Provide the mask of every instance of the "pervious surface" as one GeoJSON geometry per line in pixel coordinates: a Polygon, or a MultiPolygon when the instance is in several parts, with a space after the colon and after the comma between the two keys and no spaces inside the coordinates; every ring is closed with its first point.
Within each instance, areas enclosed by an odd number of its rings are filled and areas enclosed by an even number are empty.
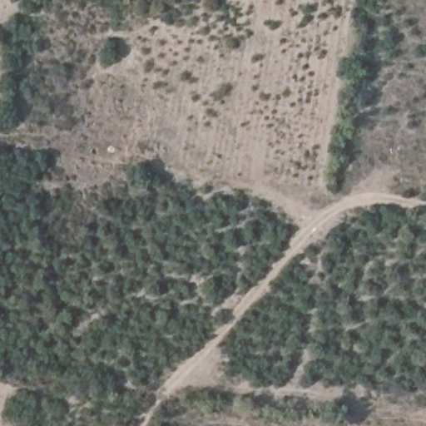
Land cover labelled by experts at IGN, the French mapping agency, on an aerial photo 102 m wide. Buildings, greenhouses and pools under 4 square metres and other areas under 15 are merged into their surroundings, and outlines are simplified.
{"type": "Polygon", "coordinates": [[[8,18],[18,12],[18,3],[12,0],[0,0],[0,23],[7,22],[8,18]]]}
{"type": "Polygon", "coordinates": [[[15,394],[17,389],[10,384],[0,383],[0,426],[5,426],[2,413],[5,401],[15,394]]]}
{"type": "Polygon", "coordinates": [[[301,211],[301,223],[298,226],[298,231],[291,238],[290,246],[283,258],[273,263],[270,273],[248,291],[246,295],[233,295],[228,296],[223,303],[226,310],[233,311],[230,321],[218,326],[215,329],[215,338],[210,339],[205,348],[200,349],[191,358],[178,364],[178,368],[165,379],[165,383],[156,389],[155,403],[151,404],[146,413],[141,414],[143,421],[140,426],[148,426],[150,419],[158,413],[161,403],[165,403],[176,389],[186,386],[218,386],[233,393],[271,394],[273,398],[295,394],[301,398],[334,401],[349,393],[353,393],[356,398],[363,398],[366,388],[363,384],[356,388],[326,388],[321,383],[315,383],[310,388],[301,386],[301,378],[311,361],[310,349],[303,349],[300,364],[290,383],[281,388],[251,386],[250,381],[246,381],[243,376],[226,376],[226,369],[221,363],[228,363],[230,358],[221,353],[220,343],[236,324],[240,323],[245,311],[250,310],[253,303],[270,291],[271,281],[278,278],[281,270],[293,260],[293,256],[305,250],[306,246],[323,240],[331,228],[341,223],[343,216],[354,216],[354,208],[366,208],[378,203],[393,203],[403,208],[426,206],[426,200],[391,193],[389,188],[393,183],[393,176],[398,175],[399,168],[383,165],[381,168],[374,168],[371,175],[359,180],[359,183],[351,188],[349,195],[341,196],[333,205],[326,206],[323,210],[313,210],[310,206],[305,206],[301,211]]]}

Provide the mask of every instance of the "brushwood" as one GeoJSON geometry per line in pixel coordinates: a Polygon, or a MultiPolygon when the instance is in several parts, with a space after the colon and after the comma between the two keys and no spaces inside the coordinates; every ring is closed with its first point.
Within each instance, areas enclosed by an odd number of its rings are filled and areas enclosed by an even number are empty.
{"type": "Polygon", "coordinates": [[[85,121],[85,116],[73,116],[75,106],[70,103],[70,98],[77,95],[78,90],[92,88],[93,80],[88,72],[92,70],[93,65],[102,63],[103,67],[110,67],[113,63],[121,62],[130,53],[130,48],[123,38],[97,40],[95,33],[106,30],[131,32],[138,25],[145,25],[148,18],[155,18],[171,25],[176,18],[196,10],[198,0],[12,0],[18,3],[18,12],[8,18],[7,22],[0,23],[0,131],[13,131],[25,120],[28,123],[37,123],[38,126],[55,126],[57,130],[73,130],[78,123],[85,121]]]}
{"type": "Polygon", "coordinates": [[[379,70],[393,65],[394,58],[408,52],[401,48],[403,33],[394,25],[391,15],[378,17],[379,10],[391,7],[389,0],[356,0],[356,7],[353,8],[353,27],[358,43],[354,43],[353,50],[348,57],[339,62],[338,67],[338,77],[343,82],[343,88],[339,90],[338,95],[338,118],[331,131],[326,175],[326,186],[333,193],[343,191],[346,170],[361,153],[361,128],[373,130],[378,121],[381,92],[374,88],[373,82],[378,77],[379,70]]]}
{"type": "Polygon", "coordinates": [[[148,426],[160,426],[161,423],[171,423],[171,418],[186,413],[178,399],[183,396],[186,396],[190,403],[200,401],[210,406],[211,413],[246,419],[251,426],[349,426],[351,423],[346,418],[346,406],[334,401],[301,398],[295,394],[273,398],[271,394],[233,393],[218,386],[186,386],[176,389],[165,403],[161,403],[158,413],[150,419],[148,426]]]}

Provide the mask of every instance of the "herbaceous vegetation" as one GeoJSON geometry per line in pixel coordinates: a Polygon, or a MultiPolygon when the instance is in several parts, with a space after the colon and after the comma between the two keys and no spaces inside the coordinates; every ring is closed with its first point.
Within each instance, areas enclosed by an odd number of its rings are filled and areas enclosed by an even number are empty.
{"type": "Polygon", "coordinates": [[[245,275],[248,268],[245,261],[238,261],[236,290],[233,295],[246,295],[248,291],[243,288],[241,281],[241,276],[245,275]]]}
{"type": "Polygon", "coordinates": [[[226,310],[223,303],[215,305],[213,296],[206,295],[203,276],[178,273],[178,263],[163,261],[163,273],[166,278],[195,283],[195,295],[193,298],[181,300],[180,306],[195,305],[201,298],[203,305],[210,306],[211,316],[226,310]]]}
{"type": "Polygon", "coordinates": [[[113,63],[110,67],[103,67],[102,63],[93,65],[92,70],[88,72],[93,80],[92,88],[78,90],[77,95],[70,98],[70,103],[75,106],[73,116],[85,116],[85,121],[78,123],[73,130],[57,130],[55,126],[38,126],[37,123],[28,123],[25,120],[13,131],[0,131],[0,141],[17,148],[53,148],[60,151],[57,165],[62,166],[63,171],[53,175],[52,180],[43,180],[43,188],[47,191],[57,190],[65,185],[72,185],[75,190],[85,190],[93,185],[103,185],[110,176],[126,180],[128,176],[121,165],[135,166],[141,161],[160,158],[165,170],[171,173],[176,181],[193,186],[196,196],[200,196],[201,200],[210,200],[216,193],[235,195],[236,190],[241,188],[248,196],[258,196],[270,201],[271,210],[280,220],[298,226],[301,223],[301,211],[305,206],[310,206],[313,210],[323,210],[326,206],[333,205],[341,196],[349,195],[351,188],[359,183],[359,180],[371,175],[374,168],[381,168],[383,165],[399,168],[398,175],[393,176],[393,183],[389,188],[391,193],[426,200],[426,0],[389,0],[391,7],[379,10],[378,17],[391,15],[394,25],[403,33],[401,48],[408,52],[394,58],[393,65],[379,70],[378,77],[373,82],[374,88],[381,92],[378,121],[373,130],[361,128],[361,153],[346,170],[343,191],[333,193],[326,186],[326,175],[331,131],[338,118],[338,95],[339,90],[343,88],[343,82],[338,77],[338,67],[339,62],[348,57],[353,50],[354,43],[358,43],[353,27],[353,8],[356,7],[356,0],[198,0],[196,10],[176,18],[171,25],[155,18],[148,18],[145,25],[138,25],[131,32],[106,30],[95,33],[97,40],[123,38],[130,48],[130,53],[121,62],[113,63]]]}
{"type": "Polygon", "coordinates": [[[401,389],[396,393],[381,393],[368,386],[366,388],[363,398],[356,398],[353,393],[349,393],[334,401],[346,406],[346,418],[351,423],[349,426],[426,426],[426,389],[416,389],[413,393],[404,394],[401,389]]]}
{"type": "Polygon", "coordinates": [[[200,401],[190,403],[186,396],[183,396],[178,399],[186,413],[171,418],[171,423],[161,423],[160,426],[251,426],[246,419],[211,413],[210,406],[200,401]]]}
{"type": "Polygon", "coordinates": [[[93,315],[85,316],[77,328],[73,329],[75,336],[80,336],[95,319],[106,315],[103,308],[97,308],[93,315]]]}

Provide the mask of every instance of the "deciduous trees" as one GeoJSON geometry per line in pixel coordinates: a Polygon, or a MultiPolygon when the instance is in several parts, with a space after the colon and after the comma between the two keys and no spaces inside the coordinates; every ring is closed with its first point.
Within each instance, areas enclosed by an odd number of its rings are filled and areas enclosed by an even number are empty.
{"type": "Polygon", "coordinates": [[[52,180],[53,175],[63,171],[62,166],[57,165],[60,151],[53,148],[17,148],[0,141],[0,383],[10,384],[17,389],[15,394],[5,401],[2,413],[5,426],[140,426],[143,421],[141,414],[146,413],[151,404],[155,403],[156,389],[165,383],[165,379],[178,368],[178,364],[191,358],[200,349],[205,348],[210,339],[215,338],[215,329],[218,326],[230,321],[233,311],[226,310],[211,316],[210,306],[203,305],[201,298],[195,305],[180,306],[181,300],[193,298],[195,295],[195,283],[166,278],[163,273],[163,261],[178,263],[178,273],[203,276],[206,295],[213,296],[215,305],[223,303],[228,296],[233,295],[236,290],[238,261],[245,261],[248,268],[245,275],[241,276],[241,281],[243,288],[248,291],[270,273],[273,263],[283,258],[290,246],[291,238],[298,231],[298,226],[280,220],[271,210],[270,201],[258,196],[248,196],[241,188],[236,190],[235,195],[216,193],[210,200],[201,200],[200,196],[196,196],[193,186],[176,181],[171,173],[165,170],[160,158],[141,161],[135,166],[121,165],[128,176],[126,180],[110,176],[103,185],[93,185],[85,190],[75,190],[72,185],[65,185],[57,190],[47,191],[43,188],[43,180],[52,180]],[[103,308],[106,315],[95,319],[80,336],[75,336],[73,329],[77,328],[85,316],[93,315],[97,308],[103,308]]]}
{"type": "Polygon", "coordinates": [[[311,361],[301,378],[301,386],[310,388],[315,383],[321,383],[326,388],[356,388],[363,384],[366,388],[368,386],[381,393],[396,393],[401,389],[404,394],[413,393],[416,389],[426,389],[426,206],[403,208],[393,203],[378,203],[366,208],[354,208],[354,216],[343,216],[341,223],[331,228],[323,240],[306,246],[305,250],[293,256],[293,260],[281,270],[278,278],[271,281],[270,291],[253,303],[250,310],[245,311],[240,323],[236,324],[220,343],[221,353],[230,358],[228,363],[221,363],[226,369],[226,376],[243,376],[246,381],[250,381],[251,386],[281,388],[290,383],[300,364],[303,349],[310,349],[311,361]]]}

